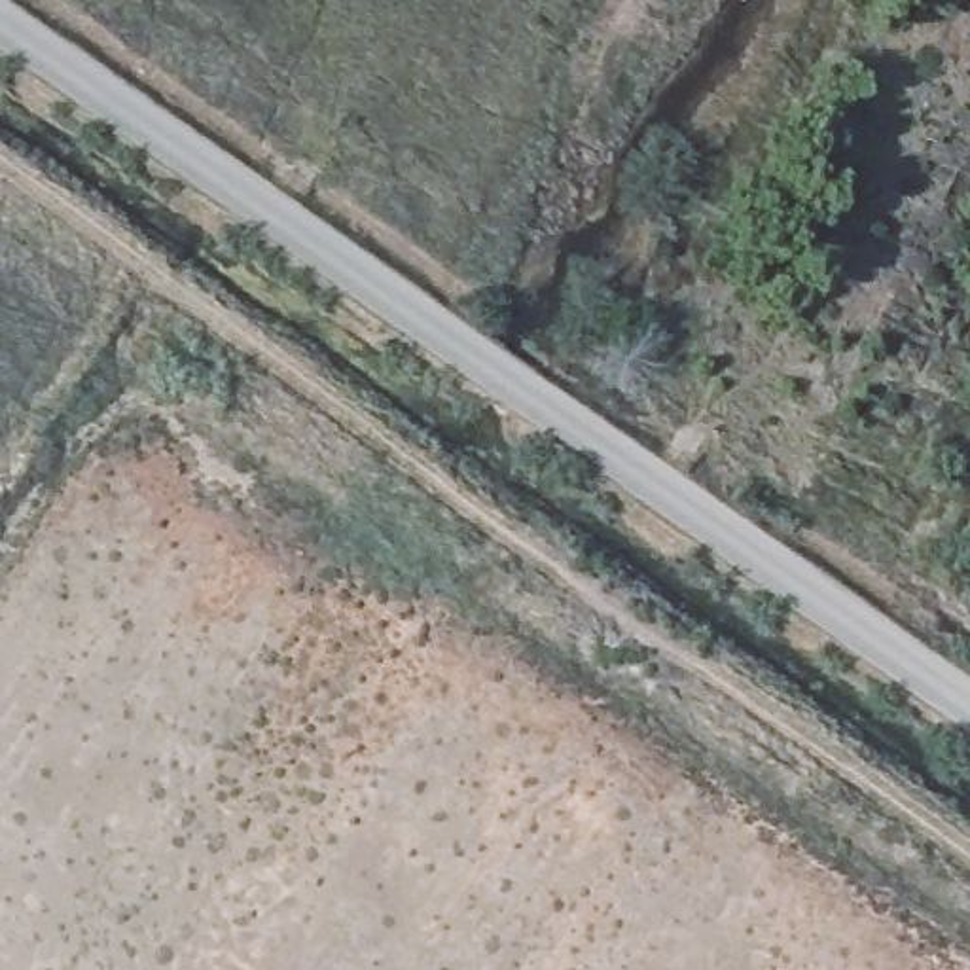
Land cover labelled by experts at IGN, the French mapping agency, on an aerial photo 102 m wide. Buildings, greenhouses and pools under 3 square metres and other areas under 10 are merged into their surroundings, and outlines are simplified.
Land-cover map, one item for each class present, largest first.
<instances>
[{"label":"herbaceous vegetation","instance_id":"1","mask_svg":"<svg viewBox=\"0 0 970 970\"><path fill-rule=\"evenodd\" d=\"M57 38L83 49L121 83H129L159 110L189 125L197 136H205L208 144L239 159L246 171L265 178L277 193L303 205L311 216H318L337 235L368 250L375 261L405 277L443 311L458 314L462 322L493 337L504 330L500 284H542L553 273L557 239L565 231H580L602 220L606 212H618L621 243V254L637 265L652 254V246L659 254L682 258L693 235L686 220L690 205L720 201L728 193V182L746 186L765 163V140L796 117H807L822 129L830 125L826 178L853 171V205L837 216V224H811V239L826 254L830 277L845 284L849 296L841 299L837 318H818L826 330H860V345L849 352H818V345L803 341L799 333H762L758 307L739 303L735 284L728 280L682 284L678 303H667L648 299L644 288L633 284L621 269L610 277V292L629 307V326H659L667 333V341L656 349V360L667 364V375L659 383L637 386V394L625 398L618 386H606L587 368L584 352H553L549 326L534 330L512 352L534 375H542L546 383L599 413L606 424H614L652 455H659L678 428L701 424L705 443L690 458L686 477H693L720 504L743 512L758 530L811 561L845 591L864 599L902 633H909L913 640H921L925 648L959 663L970 674V489L959 481H940L932 474V451L940 440L943 402H959L962 394L970 398V352H928L925 364L906 356L902 333L883 330L894 292L879 277V269L894 265L898 258L902 224L894 208L906 205L928 224L943 208L951 182H959L970 171V0H777L769 23H754L743 57L693 110V125L709 133L716 148L712 174H701L693 171V148L652 114V106L656 95L671 87L678 72L697 57L693 42L716 19V0H80L102 27L129 42L140 57H152L159 68L174 72L189 91L246 121L258 136H269L288 159L314 163L330 186L352 193L364 208L405 231L428 254H436L451 273L466 277L474 292L455 296L440 288L424 269L394 254L386 243H379L371 231L356 227L345 212L326 205L318 193L299 189L284 174H277L269 159L246 152L235 136L182 106L152 80L136 76L125 61H117L95 38H87L80 27L64 23L53 11L61 0H15ZM875 383L909 390L913 409L898 417L894 409L875 405V424H864L853 402L864 398V390ZM19 99L27 102V110L45 117L53 102L68 99L57 80L27 64L19 72ZM106 337L117 341L121 383L129 390H148L155 402L167 405H178L186 394H208L224 402V417H235L243 405V386H250L258 375H269L273 368L254 352L216 337L205 326V318H197L178 299L148 288V280L136 269L117 261L99 239H91L68 216L34 201L0 174V443L15 436L23 424L38 436L45 432V424L57 417L61 398L91 368ZM171 212L186 216L205 235L239 224L224 197L186 182ZM227 277L243 284L254 299L314 322L318 333L337 352H345L349 364H356L383 386L398 390L402 398H440L455 421L477 417V409L489 402L466 386V375L455 364H432L421 345L405 341L383 311L368 307L356 296H341V307L330 311L311 303L296 288H269L261 273L231 265ZM235 470L254 477L250 493H239L220 481H201L193 489V504L216 515L212 542H227V549L239 557L261 553L273 561V568L288 572V584L277 587V599L337 595L341 602L360 610L371 595H379L383 602H398L402 618L417 614V599L447 602L451 629L470 637L515 640V648L523 652L519 663H527L538 674V682H549L557 697H576V705L591 716L580 728V743L602 762V769L625 781L629 796L667 799L671 792H678L682 781H690L701 792L682 811L690 826H705L709 815H728V807L743 803L746 822H758V841L769 856H796L807 849L815 860L841 871L875 913H890L894 921L917 928L921 940H928L936 951L959 947L970 955V849L951 853L928 841L909 818L879 803L871 792L856 788L849 777H837L826 788H807L803 796H784V788L765 784L758 773L735 765L724 750H712L701 735L686 728L682 716L648 705V693L637 690L633 678H618L621 663H640L652 678H686V667L659 659V652L648 644L629 640L614 618L587 606L549 568L527 561L508 542L493 538L481 523L466 519L417 474L398 470L386 447H379L371 458L364 455L352 470L341 474L337 485L349 493V504L337 508L314 485L284 477L269 458H258L250 451H243L231 462ZM625 534L644 542L652 553L682 557L701 546L693 530L652 508L648 500L621 496ZM788 644L807 652V659L830 682H845L864 697L879 678L853 652L834 644V637L818 621L799 614L796 606L788 618Z\"/></svg>","mask_w":970,"mask_h":970},{"label":"pervious surface","instance_id":"2","mask_svg":"<svg viewBox=\"0 0 970 970\"><path fill-rule=\"evenodd\" d=\"M53 11L64 23L80 27L87 38H95L117 61H125L136 76L152 80L182 106L235 136L246 152L269 159L277 174H284L299 189L318 193L326 205L345 212L356 227L371 231L379 243H386L394 254L424 269L440 288L455 296L474 292L466 277L451 273L436 254H428L405 231L364 208L352 193L330 186L314 163L288 159L269 136H258L246 121L189 91L174 72L159 68L152 57H140L129 42L102 27L80 0H61ZM0 174L34 201L68 216L91 239H99L117 261L136 269L148 280V288L178 299L197 318H205V326L216 337L254 352L273 368L269 375H258L250 386H243V405L235 417H224V402L208 394H186L178 405H167L155 402L148 390H129L95 421L76 428L80 443L106 436L110 424L129 413L163 417L178 443L171 451H163L159 443H144L140 462L125 455L114 477L117 500L76 504L72 519H61L64 534H49L42 527L38 542L27 549V565L11 572L8 599L0 602V970H970V955L959 947L936 951L928 940H921L917 928L894 921L890 913H875L841 871L815 860L807 849L796 856H769L758 841V822H746L743 803L728 807V815H709L705 826H690L682 811L701 792L690 781H682L678 792H671L667 799L629 796L625 781L602 769V762L580 743V728L591 716L576 705V697H557L549 682H538V674L527 663H519L523 652L515 648V640L470 637L451 629L447 602L417 599V614L402 618L398 602H383L379 595H371L360 610L341 602L337 595L277 599V587L288 584V572L273 568V561L261 553L239 557L227 549V542H212L216 515L193 504V489L201 481H220L239 493H250L254 477L235 470L231 462L243 451H250L258 458H269L284 477L314 485L337 508L349 504V493L337 485L341 474L352 470L364 455L371 458L379 447H386L398 470L417 474L466 519L481 523L493 538L508 542L527 561L549 568L587 606L614 618L629 640L648 644L659 652V659L686 667V678H652L640 663H621L618 678H633L637 690L648 693V705L682 716L686 728L701 735L712 750H724L735 765L758 773L765 784L784 788V796H803L807 788H826L837 777H849L856 788L871 792L879 803L909 818L928 841L951 853L970 849V818L951 815L940 796L925 792L909 777L864 762L860 743L826 728L811 705L792 709L788 697L773 686H754L750 674H739L731 667V652L705 659L693 644L674 640L667 625L640 621L625 602V591H606L602 580L576 572V549L568 534L549 527L534 534L530 527L493 508L489 496L466 493L436 458L405 443L383 421H375L371 402H356L349 386H337L330 375H322L314 360H307L299 349L269 337L246 314L224 307L212 292L197 288L189 269H171L159 250L133 235L114 212L91 208L80 193L45 178L27 155L0 144Z\"/></svg>","mask_w":970,"mask_h":970},{"label":"brushwood","instance_id":"3","mask_svg":"<svg viewBox=\"0 0 970 970\"><path fill-rule=\"evenodd\" d=\"M27 64L23 53H0V144L27 155L45 178L80 193L91 208L114 212L133 235L159 250L171 269H189L197 288L212 292L224 307L246 314L269 337L299 349L307 360H314L322 375H330L337 386H349L356 402H371L375 421H383L405 443L436 458L466 493L489 496L493 508L530 527L534 534L549 527L568 534L576 549V572L602 580L606 591H625V602L640 621L667 625L674 640L693 644L705 659L731 652V667L739 674H750L754 686H773L788 697L792 709L811 705L826 728L860 743L864 762L909 777L925 792L940 796L951 815L970 818V720L936 724L902 682L879 678L864 697L845 682H830L807 659V652L788 644V618L796 606L792 595L739 587L743 568L724 572L712 549L701 546L682 557L652 553L644 542L625 534L621 496L614 481L602 474L595 451L572 447L557 432H538L519 413L496 417L489 402L477 409V417L455 421L440 398H402L398 390L383 386L356 364H349L345 352H337L318 333L314 322L254 299L243 284L227 277L231 265L261 273L269 288H296L311 303L330 311L341 307V296L330 284H318V273L311 265H292L284 246L265 239V224H239L205 235L186 216L171 212L186 182L152 171L148 148L125 144L110 121H83L76 114V102L68 99L53 102L45 117L27 110V102L19 99V72ZM129 390L121 383L117 341L106 337L91 368L61 398L57 417L45 424V432L38 436L23 424L15 436L0 443V602L8 599L11 572L27 565V549L38 542L42 527L49 534H64L61 519H72L76 504L117 500L114 477L125 455L140 462L144 443H159L163 451H171L178 443L163 417L129 413L110 424L106 436L80 443L76 428L95 421Z\"/></svg>","mask_w":970,"mask_h":970},{"label":"impervious surface","instance_id":"4","mask_svg":"<svg viewBox=\"0 0 970 970\"><path fill-rule=\"evenodd\" d=\"M0 53H23L27 64L57 80L68 99L76 102V114L83 121H110L125 144L148 148L152 171L186 182L224 197L239 224H265V239L284 246L292 265H311L318 273V284H330L341 296H356L368 307L383 311L405 341L421 345L432 364H455L466 375V386L489 402L496 417L519 413L538 432H557L572 447L595 451L602 474L614 481L621 496L648 500L652 508L693 530L701 546L712 549L724 572L743 568L739 587L792 595L796 606L799 614L818 621L834 637V644L853 652L879 678L902 682L936 724L970 720V674L959 663L925 648L921 640H913L909 633H902L864 599L845 591L811 561L758 530L743 512L720 504L693 477H686L690 458L705 443L701 424L678 428L659 455H652L614 424H606L599 413L546 383L542 375H534L512 352L493 337L462 322L458 314L443 311L405 277L375 261L368 250L337 235L318 216H311L303 205L277 193L265 178L246 171L239 159L208 144L205 136H197L189 125L159 110L129 83H121L83 49L57 38L15 0H0Z\"/></svg>","mask_w":970,"mask_h":970},{"label":"deciduous trees","instance_id":"5","mask_svg":"<svg viewBox=\"0 0 970 970\"><path fill-rule=\"evenodd\" d=\"M830 125L822 129L807 117H796L765 140V163L746 186L728 182V193L720 201L690 205L686 220L693 235L682 258L659 254L652 246V254L637 265L621 254V243L606 254V261H568L561 311L549 326L553 352H584L587 368L606 386H618L625 398L637 394V386L659 383L667 375V364L656 360V349L667 341V333L659 326H629V307L610 292V277L621 269L633 284L644 288L648 299L667 303H678L682 284L728 280L735 284L739 303L758 307L762 333H799L803 341L818 345V352H849L860 345V330H826L818 318H837L841 299L849 296L845 284L830 277L826 254L811 239V224H837V216L853 205V171L826 178ZM902 224L898 258L894 265L879 269V277L894 292L883 330L902 333L906 356L925 364L928 352H970V171L959 182H951L943 208L928 224L906 205L894 208ZM875 405L894 409L898 417L913 409L909 390L875 383L864 390V398L853 402L864 424H875ZM932 474L940 481H959L970 489V398L962 394L959 402H943L940 440L932 451Z\"/></svg>","mask_w":970,"mask_h":970},{"label":"water","instance_id":"6","mask_svg":"<svg viewBox=\"0 0 970 970\"><path fill-rule=\"evenodd\" d=\"M716 19L693 42L697 57L678 72L671 87L656 95L652 106V114L693 148V171L701 174H712L716 148L709 133L693 125V110L743 57L754 23H769L777 0H716ZM621 243L618 212H606L602 220L580 231H565L557 239L553 273L542 284H500L504 330L493 337L512 352L534 330L549 326L561 311L568 261H606V254Z\"/></svg>","mask_w":970,"mask_h":970}]
</instances>
